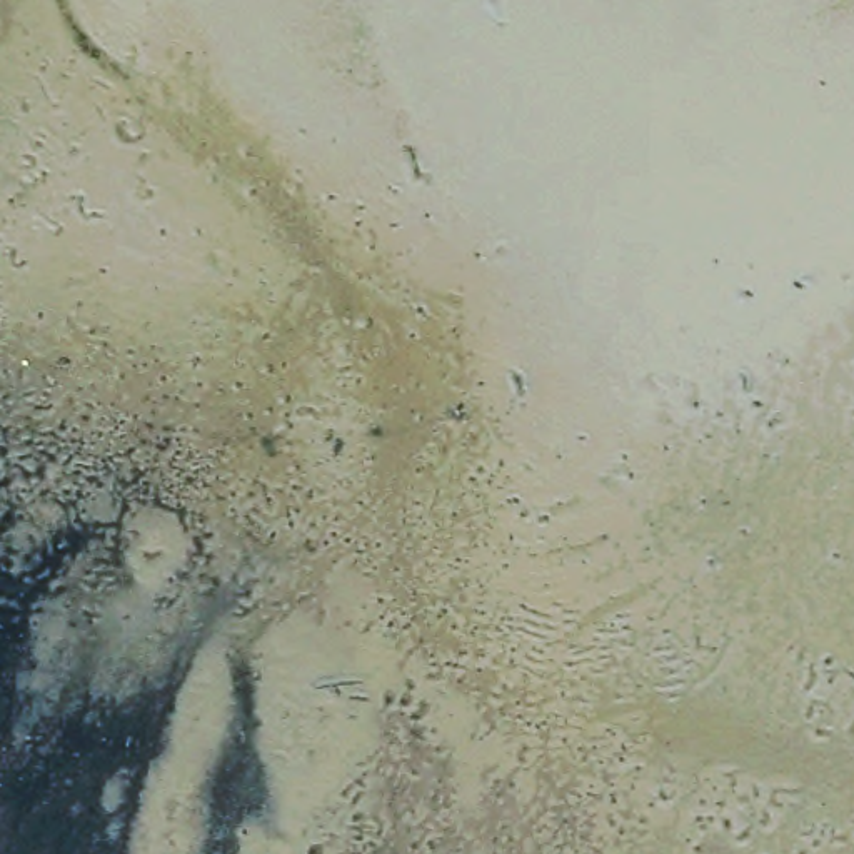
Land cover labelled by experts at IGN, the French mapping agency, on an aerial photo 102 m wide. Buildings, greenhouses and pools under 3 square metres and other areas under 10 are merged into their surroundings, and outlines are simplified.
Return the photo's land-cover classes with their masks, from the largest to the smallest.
<instances>
[{"label":"bare soil","instance_id":"1","mask_svg":"<svg viewBox=\"0 0 854 854\"><path fill-rule=\"evenodd\" d=\"M0 854H854V0H0Z\"/></svg>","mask_w":854,"mask_h":854}]
</instances>
